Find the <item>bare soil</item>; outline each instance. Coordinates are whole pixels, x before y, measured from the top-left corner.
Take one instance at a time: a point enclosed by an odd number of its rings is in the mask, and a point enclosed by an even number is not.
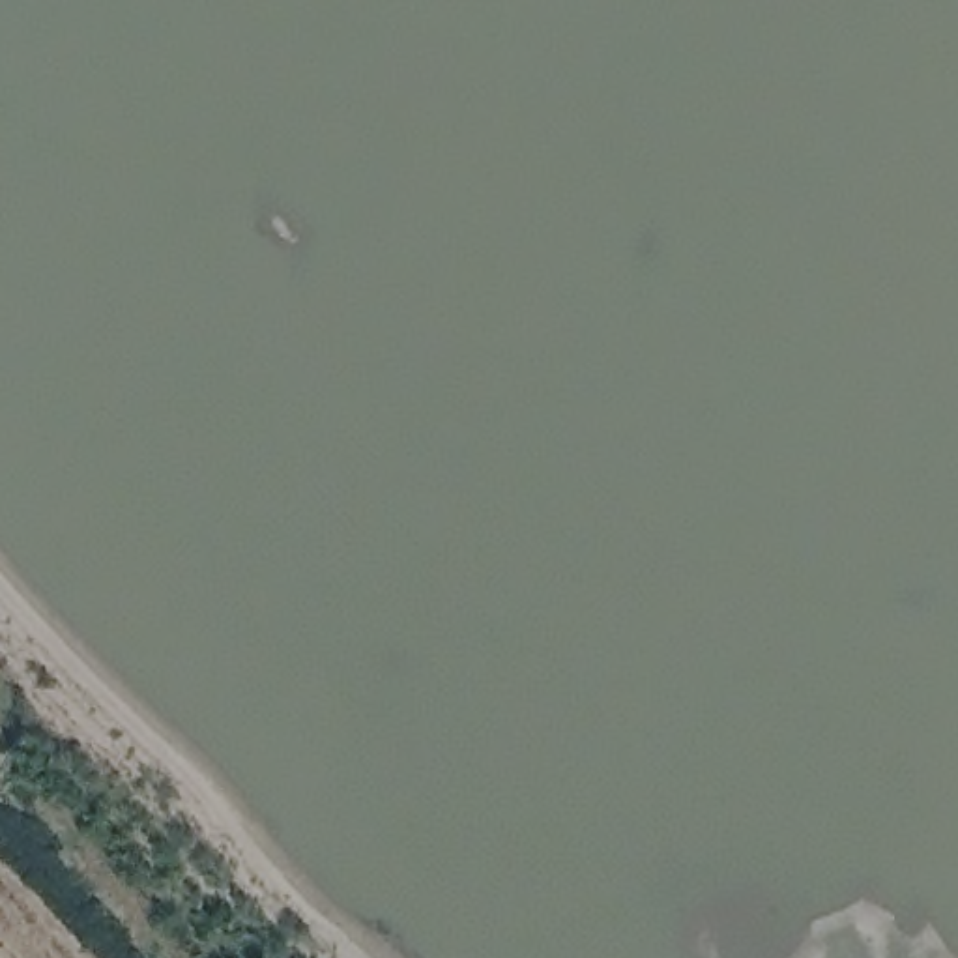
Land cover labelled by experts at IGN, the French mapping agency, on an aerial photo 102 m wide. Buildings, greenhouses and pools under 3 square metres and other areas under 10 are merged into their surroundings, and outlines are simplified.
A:
[[[857,902],[849,909],[812,921],[805,951],[793,958],[954,958],[939,932],[906,936],[894,928],[891,913]]]
[[[191,820],[202,831],[202,838],[225,861],[232,861],[232,872],[236,883],[262,906],[266,921],[277,921],[284,909],[292,909],[303,917],[307,928],[311,928],[311,936],[314,936],[314,939],[322,939],[322,943],[333,943],[341,958],[400,958],[378,936],[367,936],[359,924],[322,913],[314,887],[288,872],[284,853],[266,838],[266,831],[236,808],[225,786],[86,655],[82,644],[75,644],[56,621],[49,621],[41,602],[26,595],[26,588],[0,561],[0,681],[15,677],[30,711],[49,730],[60,737],[75,737],[90,752],[90,760],[109,760],[123,782],[135,778],[142,767],[161,767],[176,786],[172,812],[180,820]]]

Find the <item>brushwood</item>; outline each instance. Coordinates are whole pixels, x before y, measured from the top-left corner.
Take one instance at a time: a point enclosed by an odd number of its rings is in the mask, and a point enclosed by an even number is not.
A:
[[[45,906],[67,924],[67,932],[75,932],[75,939],[94,958],[142,958],[127,928],[97,902],[90,883],[60,861],[60,838],[34,812],[15,808],[0,805],[0,861],[11,864],[19,879],[45,898]]]

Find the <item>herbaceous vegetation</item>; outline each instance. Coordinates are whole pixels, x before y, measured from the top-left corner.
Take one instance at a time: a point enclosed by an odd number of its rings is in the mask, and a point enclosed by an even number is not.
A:
[[[210,883],[195,861],[180,872],[202,894],[221,902],[236,883],[232,872],[225,883]]]
[[[172,812],[176,786],[161,767],[142,767],[135,778],[123,782],[123,793],[138,801],[157,823],[180,820]]]
[[[4,778],[7,752],[19,745],[19,737],[45,737],[49,730],[30,711],[15,677],[0,681],[0,805],[15,808],[19,793]]]
[[[307,958],[341,958],[333,943],[322,943],[322,939],[314,939],[314,936],[311,936],[311,928],[307,928],[303,928],[303,932],[299,932],[296,939],[288,939],[288,947],[292,947],[296,954],[307,954]]]
[[[34,801],[34,812],[60,838],[60,861],[90,883],[97,902],[127,928],[142,958],[191,958],[168,932],[150,924],[150,906],[109,868],[94,838],[75,827],[75,816],[64,805],[45,797]]]

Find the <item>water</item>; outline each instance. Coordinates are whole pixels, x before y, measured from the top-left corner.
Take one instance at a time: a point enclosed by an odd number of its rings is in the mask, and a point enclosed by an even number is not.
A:
[[[236,808],[266,831],[266,838],[284,853],[288,872],[314,887],[322,913],[359,924],[367,936],[378,936],[400,958],[793,958],[805,951],[812,921],[849,909],[857,902],[891,913],[894,928],[906,936],[939,932],[954,958],[958,958],[958,0],[0,0],[0,561],[26,588],[26,595],[41,602],[49,621],[56,621],[75,644],[82,644],[86,655],[225,786]]]

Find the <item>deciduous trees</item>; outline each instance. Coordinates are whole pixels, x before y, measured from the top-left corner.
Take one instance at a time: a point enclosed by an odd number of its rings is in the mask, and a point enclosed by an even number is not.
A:
[[[303,917],[292,909],[284,909],[277,921],[266,921],[262,906],[236,883],[221,902],[202,894],[180,872],[195,861],[210,883],[225,883],[232,872],[232,861],[225,861],[202,838],[202,831],[191,820],[180,820],[157,823],[138,801],[123,793],[123,782],[109,760],[90,760],[90,752],[75,737],[60,737],[49,730],[45,737],[19,737],[19,745],[7,752],[4,778],[19,793],[15,808],[34,812],[34,801],[45,797],[64,805],[75,816],[75,827],[94,838],[109,868],[150,906],[150,924],[168,932],[191,958],[307,958],[307,954],[296,954],[292,947],[288,947],[288,939],[296,939],[299,932],[303,932],[303,928],[307,928]]]

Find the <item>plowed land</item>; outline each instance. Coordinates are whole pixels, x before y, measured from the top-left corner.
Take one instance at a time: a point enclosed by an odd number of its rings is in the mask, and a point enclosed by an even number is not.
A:
[[[67,932],[67,924],[45,906],[45,898],[19,879],[11,864],[0,861],[0,958],[94,958],[75,939],[75,932]]]

